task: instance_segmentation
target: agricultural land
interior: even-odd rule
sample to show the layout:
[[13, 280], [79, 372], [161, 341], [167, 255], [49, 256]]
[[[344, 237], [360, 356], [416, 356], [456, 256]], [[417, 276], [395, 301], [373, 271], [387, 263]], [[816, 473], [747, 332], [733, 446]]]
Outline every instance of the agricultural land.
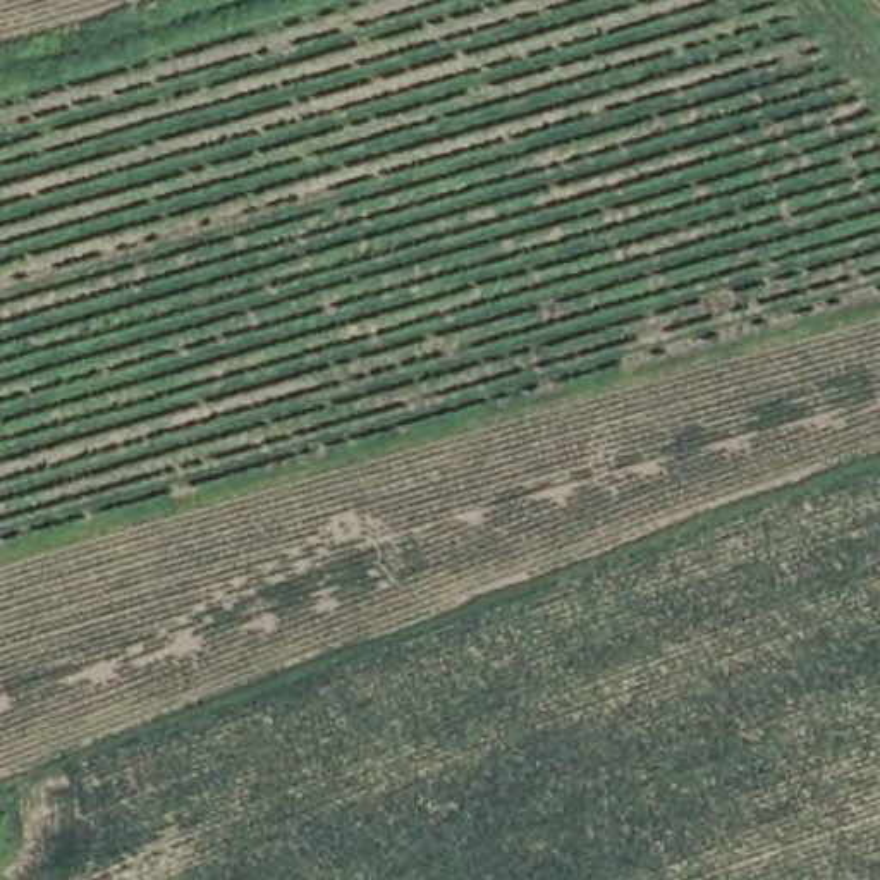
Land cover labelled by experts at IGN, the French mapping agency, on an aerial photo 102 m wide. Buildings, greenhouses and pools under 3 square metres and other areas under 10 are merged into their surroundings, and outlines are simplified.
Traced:
[[107, 10], [141, 7], [151, 0], [0, 0], [0, 41], [34, 38], [38, 31], [58, 31], [86, 17], [100, 17]]
[[368, 457], [361, 464], [347, 464], [327, 474], [299, 481], [268, 481], [193, 512], [172, 512], [138, 526], [117, 526], [96, 540], [38, 550], [14, 564], [0, 564], [0, 780], [7, 777], [21, 791], [24, 818], [21, 853], [0, 877], [0, 880], [880, 880], [880, 316], [866, 316], [825, 333], [811, 333], [804, 340], [760, 347], [729, 361], [712, 361], [643, 382], [581, 392], [560, 406], [523, 409], [519, 416], [474, 426], [440, 440], [416, 443], [409, 450]]

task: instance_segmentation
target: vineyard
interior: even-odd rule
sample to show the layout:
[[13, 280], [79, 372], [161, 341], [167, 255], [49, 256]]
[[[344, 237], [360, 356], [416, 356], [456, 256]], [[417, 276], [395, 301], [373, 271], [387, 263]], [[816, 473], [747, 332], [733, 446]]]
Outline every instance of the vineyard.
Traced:
[[794, 38], [794, 28], [801, 28], [798, 3], [773, 7], [773, 0], [371, 0], [344, 14], [320, 10], [320, 21], [306, 24], [292, 17], [285, 21], [285, 31], [275, 34], [244, 38], [244, 31], [237, 31], [179, 48], [168, 62], [134, 62], [110, 72], [83, 76], [72, 79], [76, 89], [62, 89], [52, 96], [24, 93], [17, 100], [0, 100], [0, 540], [72, 526], [93, 512], [144, 505], [165, 498], [168, 492], [172, 498], [182, 498], [193, 485], [227, 481], [309, 454], [327, 457], [327, 447], [392, 437], [402, 426], [419, 426], [426, 419], [443, 419], [454, 413], [468, 413], [474, 426], [519, 416], [523, 409], [560, 406], [581, 392], [643, 382], [639, 364], [650, 361], [650, 354], [688, 354], [715, 337], [749, 337], [753, 327], [763, 323], [787, 327], [801, 313], [825, 313], [825, 306], [839, 306], [839, 299], [846, 306], [856, 306], [866, 299], [880, 299], [880, 110], [870, 113], [866, 100], [859, 100], [856, 93], [828, 100], [828, 89], [842, 86], [842, 76], [808, 86], [811, 72], [825, 69], [822, 62], [828, 58], [828, 48], [811, 45], [811, 38]]

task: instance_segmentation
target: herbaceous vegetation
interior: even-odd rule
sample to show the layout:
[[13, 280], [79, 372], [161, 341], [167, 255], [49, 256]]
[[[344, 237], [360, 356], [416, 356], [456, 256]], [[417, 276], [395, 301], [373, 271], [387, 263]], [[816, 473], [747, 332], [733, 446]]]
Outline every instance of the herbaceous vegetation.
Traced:
[[825, 333], [866, 316], [880, 316], [880, 299], [866, 299], [856, 306], [846, 306], [839, 299], [839, 306], [825, 306], [825, 313], [801, 313], [787, 327], [763, 323], [753, 327], [749, 337], [715, 337], [688, 354], [650, 354], [650, 361], [639, 364], [643, 382], [712, 361], [729, 361], [760, 347], [804, 340], [811, 333]]
[[794, 38], [811, 38], [811, 45], [828, 48], [828, 58], [822, 62], [825, 69], [811, 72], [808, 86], [842, 76], [842, 86], [828, 89], [828, 100], [856, 93], [859, 100], [866, 100], [870, 113], [880, 110], [880, 0], [773, 0], [773, 7], [798, 3], [801, 28], [794, 28]]
[[244, 31], [244, 38], [275, 34], [285, 31], [285, 21], [292, 17], [306, 24], [320, 21], [320, 10], [344, 14], [371, 0], [151, 0], [141, 7], [107, 10], [100, 17], [86, 17], [58, 31], [38, 31], [34, 38], [0, 41], [0, 100], [17, 100], [24, 93], [52, 96], [62, 89], [76, 89], [72, 79], [83, 76], [110, 72], [134, 62], [168, 62], [179, 48], [237, 31]]
[[7, 777], [0, 780], [0, 877], [21, 853], [24, 818], [21, 791]]
[[327, 457], [309, 454], [227, 481], [193, 485], [182, 498], [172, 498], [168, 492], [165, 498], [144, 505], [93, 512], [72, 526], [0, 540], [0, 564], [14, 564], [38, 550], [96, 540], [117, 526], [138, 526], [172, 512], [193, 512], [268, 481], [299, 481], [327, 474], [347, 464], [361, 464], [368, 457], [409, 450], [416, 443], [440, 440], [474, 426], [468, 413], [454, 413], [443, 419], [426, 419], [419, 426], [402, 426], [392, 437], [327, 447]]

